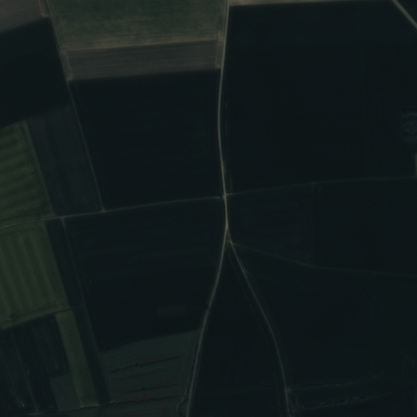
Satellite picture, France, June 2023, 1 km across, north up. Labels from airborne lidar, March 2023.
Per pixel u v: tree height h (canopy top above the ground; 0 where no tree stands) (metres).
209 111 0
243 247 0
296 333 0
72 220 0
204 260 0
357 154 0
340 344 0
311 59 0
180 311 0
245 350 0
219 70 0
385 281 0
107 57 0
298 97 0
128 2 0
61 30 0
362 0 0
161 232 0
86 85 0
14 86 0
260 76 0
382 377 0
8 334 0
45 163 0
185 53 0
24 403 0
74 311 0
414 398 0
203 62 0
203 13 0
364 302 0
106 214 0
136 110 0
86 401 0
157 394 0
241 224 0
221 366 0
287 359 0
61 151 0
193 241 0
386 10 0
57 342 0
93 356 0
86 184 0
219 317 0
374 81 0
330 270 0
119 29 0
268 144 0
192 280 0
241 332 0
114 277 0
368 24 0
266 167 0
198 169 0
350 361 0
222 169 0
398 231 0
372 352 0
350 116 0
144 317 0
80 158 0
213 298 0
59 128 0
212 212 0
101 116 0
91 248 0
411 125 11
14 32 0
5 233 0
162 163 0
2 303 0
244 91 0
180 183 0
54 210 0
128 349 0
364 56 0
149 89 0
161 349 0
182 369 0
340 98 0
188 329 0
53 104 0
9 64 0
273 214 0
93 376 0
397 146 0
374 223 0
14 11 0
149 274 0
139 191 0
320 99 0
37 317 0
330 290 0
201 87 0
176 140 0
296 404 0
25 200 0
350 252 0
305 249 0
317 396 0
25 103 0
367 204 0
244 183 0
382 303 0
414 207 0
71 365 0
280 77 0
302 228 0
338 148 0
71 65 0
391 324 0
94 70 0
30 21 0
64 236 0
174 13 0
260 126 0
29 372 0
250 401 0
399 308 0
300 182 0
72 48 0
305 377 0
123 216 0
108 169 0
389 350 0
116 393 0
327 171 0
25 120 0
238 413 0
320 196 0
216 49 0
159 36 0
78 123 0
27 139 0
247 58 0
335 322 0
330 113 0
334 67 0
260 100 0
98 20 0
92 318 0
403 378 0
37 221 0
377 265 0
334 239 0
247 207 0
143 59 0
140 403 0
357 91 0
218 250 0
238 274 0
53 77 0
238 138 0
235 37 0
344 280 0
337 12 0
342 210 0
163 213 0
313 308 0
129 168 0
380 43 0
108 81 0
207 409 0
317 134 0
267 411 0
